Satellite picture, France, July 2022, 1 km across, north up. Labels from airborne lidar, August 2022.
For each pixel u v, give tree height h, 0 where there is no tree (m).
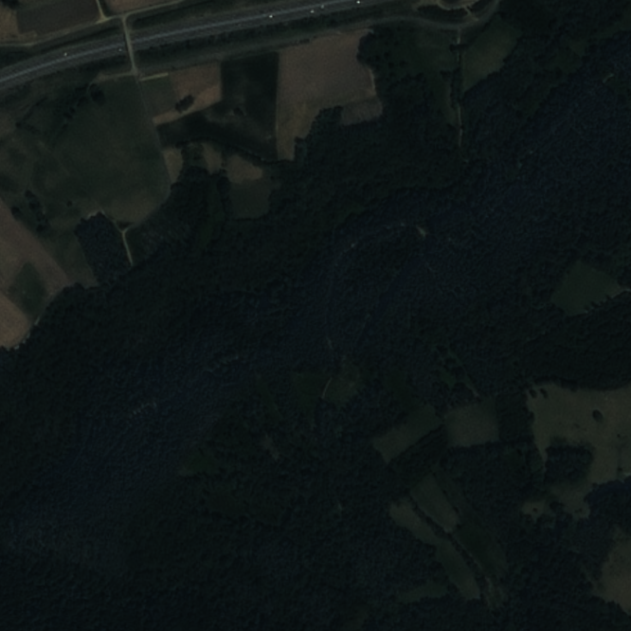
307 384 0
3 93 0
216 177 8
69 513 16
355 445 21
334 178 23
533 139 28
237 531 17
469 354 20
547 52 19
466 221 21
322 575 11
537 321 15
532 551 23
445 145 14
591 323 10
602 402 0
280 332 21
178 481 18
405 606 7
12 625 25
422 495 0
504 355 16
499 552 0
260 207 0
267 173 0
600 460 0
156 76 0
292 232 19
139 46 0
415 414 0
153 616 26
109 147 0
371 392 25
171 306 13
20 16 0
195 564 26
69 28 0
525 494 21
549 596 19
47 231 12
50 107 0
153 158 0
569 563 16
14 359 24
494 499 23
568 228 22
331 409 20
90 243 21
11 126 0
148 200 0
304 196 14
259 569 19
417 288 25
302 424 21
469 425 0
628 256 6
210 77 0
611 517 19
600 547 23
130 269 12
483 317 10
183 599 23
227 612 27
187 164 7
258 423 23
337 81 0
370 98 0
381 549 30
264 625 26
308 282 21
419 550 23
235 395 24
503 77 17
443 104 0
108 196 0
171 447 21
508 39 0
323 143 14
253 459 16
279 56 0
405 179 15
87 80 0
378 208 21
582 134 23
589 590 16
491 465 19
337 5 0
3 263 0
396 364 24
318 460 8
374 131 21
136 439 21
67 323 21
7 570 33
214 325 19
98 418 7
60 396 21
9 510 15
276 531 16
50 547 7
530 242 24
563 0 25
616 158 20
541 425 0
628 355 8
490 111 26
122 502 22
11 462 17
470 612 21
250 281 16
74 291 13
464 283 23
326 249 19
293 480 16
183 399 23
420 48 0
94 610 26
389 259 14
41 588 28
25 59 0
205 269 19
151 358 15
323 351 31
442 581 25
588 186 25
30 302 0
